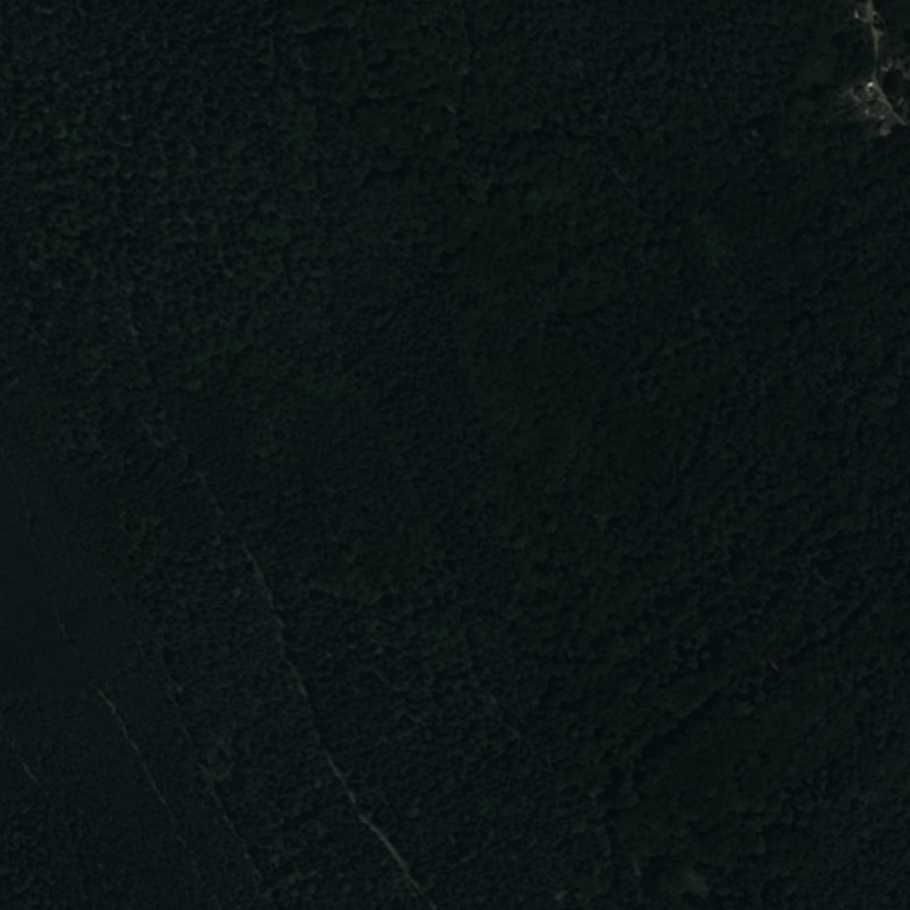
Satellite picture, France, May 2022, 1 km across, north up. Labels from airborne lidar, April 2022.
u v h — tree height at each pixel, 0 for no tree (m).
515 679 26
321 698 25
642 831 37
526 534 15
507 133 17
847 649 30
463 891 26
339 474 21
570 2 11
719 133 26
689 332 24
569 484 20
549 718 32
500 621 27
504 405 23
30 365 17
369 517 23
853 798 26
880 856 29
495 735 28
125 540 17
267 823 24
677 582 36
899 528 25
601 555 29
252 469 18
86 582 12
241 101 29
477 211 23
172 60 28
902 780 22
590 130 25
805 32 30
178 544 21
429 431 31
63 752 16
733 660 29
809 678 35
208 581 29
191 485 16
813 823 32
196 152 26
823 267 25
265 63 26
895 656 26
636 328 18
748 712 33
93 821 21
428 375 33
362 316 23
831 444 30
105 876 22
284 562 15
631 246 27
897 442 27
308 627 29
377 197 25
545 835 27
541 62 24
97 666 12
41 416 14
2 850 22
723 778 37
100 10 42
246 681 27
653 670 26
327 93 30
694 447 20
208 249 28
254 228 22
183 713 24
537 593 33
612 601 33
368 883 25
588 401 20
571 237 18
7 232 28
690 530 20
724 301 19
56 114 27
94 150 35
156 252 27
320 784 27
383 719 24
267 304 25
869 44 7
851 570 28
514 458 20
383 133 36
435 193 19
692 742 35
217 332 24
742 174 20
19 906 24
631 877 31
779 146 27
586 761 30
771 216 19
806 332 28
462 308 30
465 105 25
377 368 28
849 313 28
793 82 20
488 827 28
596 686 19
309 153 21
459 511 30
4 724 15
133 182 27
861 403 27
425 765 26
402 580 19
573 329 24
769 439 20
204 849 22
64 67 28
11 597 13
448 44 23
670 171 29
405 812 27
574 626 20
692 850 36
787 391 23
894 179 22
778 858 36
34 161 31
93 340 31
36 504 14
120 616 11
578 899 30
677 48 31
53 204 31
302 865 27
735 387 24
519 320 17
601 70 20
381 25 38
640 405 22
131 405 18
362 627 26
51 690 12
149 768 18
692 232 25
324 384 20
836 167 21
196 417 19
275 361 25
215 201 15
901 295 26
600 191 22
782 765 34
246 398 20
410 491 23
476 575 36
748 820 38
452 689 24
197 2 27
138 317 26
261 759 28
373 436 20
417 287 35
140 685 15
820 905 25
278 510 17
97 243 44
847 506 21
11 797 23
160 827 19
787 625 18
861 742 31
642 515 21
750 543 27
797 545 20
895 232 21
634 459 20
